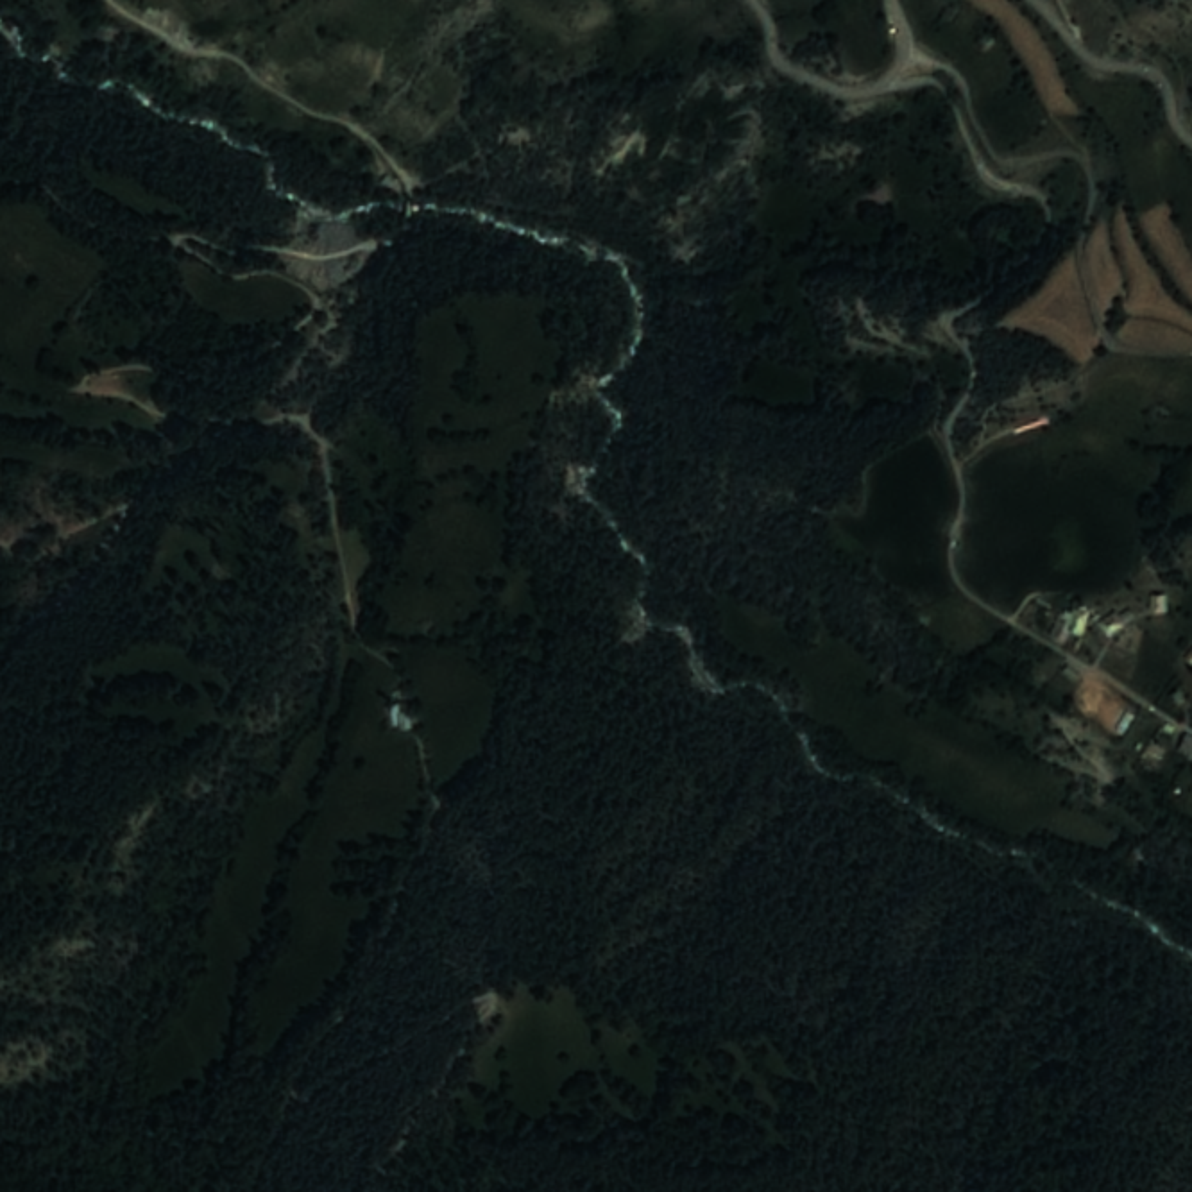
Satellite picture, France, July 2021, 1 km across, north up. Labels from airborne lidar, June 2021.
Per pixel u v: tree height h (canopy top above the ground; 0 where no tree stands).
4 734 28
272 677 13
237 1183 24
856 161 7
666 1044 13
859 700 0
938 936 10
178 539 0
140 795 18
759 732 10
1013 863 13
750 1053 13
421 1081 12
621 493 12
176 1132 15
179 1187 22
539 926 20
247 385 24
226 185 16
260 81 0
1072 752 8
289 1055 25
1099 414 0
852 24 0
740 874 24
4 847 15
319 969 0
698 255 8
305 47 0
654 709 7
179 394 29
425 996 11
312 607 11
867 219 20
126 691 23
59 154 15
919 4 0
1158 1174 9
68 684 26
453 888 17
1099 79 0
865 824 19
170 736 14
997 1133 13
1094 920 11
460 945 8
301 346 15
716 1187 26
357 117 12
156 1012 29
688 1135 18
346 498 9
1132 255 0
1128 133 0
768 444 10
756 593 15
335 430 15
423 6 0
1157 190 0
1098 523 0
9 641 13
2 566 19
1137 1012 10
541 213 9
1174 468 17
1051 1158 12
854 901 22
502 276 15
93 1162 6
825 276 21
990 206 9
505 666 21
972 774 0
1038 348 11
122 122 28
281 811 0
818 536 10
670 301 16
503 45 8
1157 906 16
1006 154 0
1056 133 0
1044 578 0
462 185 11
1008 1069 22
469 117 9
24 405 8
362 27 0
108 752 25
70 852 10
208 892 34
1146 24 0
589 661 21
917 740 0
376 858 6
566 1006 0
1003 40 7
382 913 25
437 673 0
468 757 0
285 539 27
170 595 19
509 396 0
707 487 8
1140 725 0
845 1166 28
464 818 7
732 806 12
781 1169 27
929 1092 8
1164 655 0
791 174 13
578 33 0
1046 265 13
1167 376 0
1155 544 8
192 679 0
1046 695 7
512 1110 17
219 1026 0
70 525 0
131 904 25
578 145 8
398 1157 21
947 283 9
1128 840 13
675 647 12
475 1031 11
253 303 0
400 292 22
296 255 0
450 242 22
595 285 18
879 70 0
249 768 17
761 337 18
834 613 13
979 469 0
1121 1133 14
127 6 0
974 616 0
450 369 0
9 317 0
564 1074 0
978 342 7
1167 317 0
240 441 26
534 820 19
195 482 27
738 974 17
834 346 9
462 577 0
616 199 6
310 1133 13
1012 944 11
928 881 16
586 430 12
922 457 0
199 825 21
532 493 24
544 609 15
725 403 11
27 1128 33
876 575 7
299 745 8
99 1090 15
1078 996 20
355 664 12
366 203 12
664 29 0
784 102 11
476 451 0
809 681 0
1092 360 0
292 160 15
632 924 8
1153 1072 22
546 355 0
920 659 15
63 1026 13
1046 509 0
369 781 0
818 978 14
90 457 0
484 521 0
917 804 15
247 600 23
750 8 0
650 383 21
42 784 21
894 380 0
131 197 0
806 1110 19
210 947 0
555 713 18
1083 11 0
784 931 26
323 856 0
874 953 17
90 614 24
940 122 14
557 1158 31
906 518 0
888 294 20
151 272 9
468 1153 31
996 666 15
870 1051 22
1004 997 23
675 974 20
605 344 19
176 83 11
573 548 26
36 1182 19
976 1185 19
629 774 20
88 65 22
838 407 13
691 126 5
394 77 0
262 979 17
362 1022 18
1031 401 0
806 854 27
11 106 27
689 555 18
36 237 0
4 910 21
